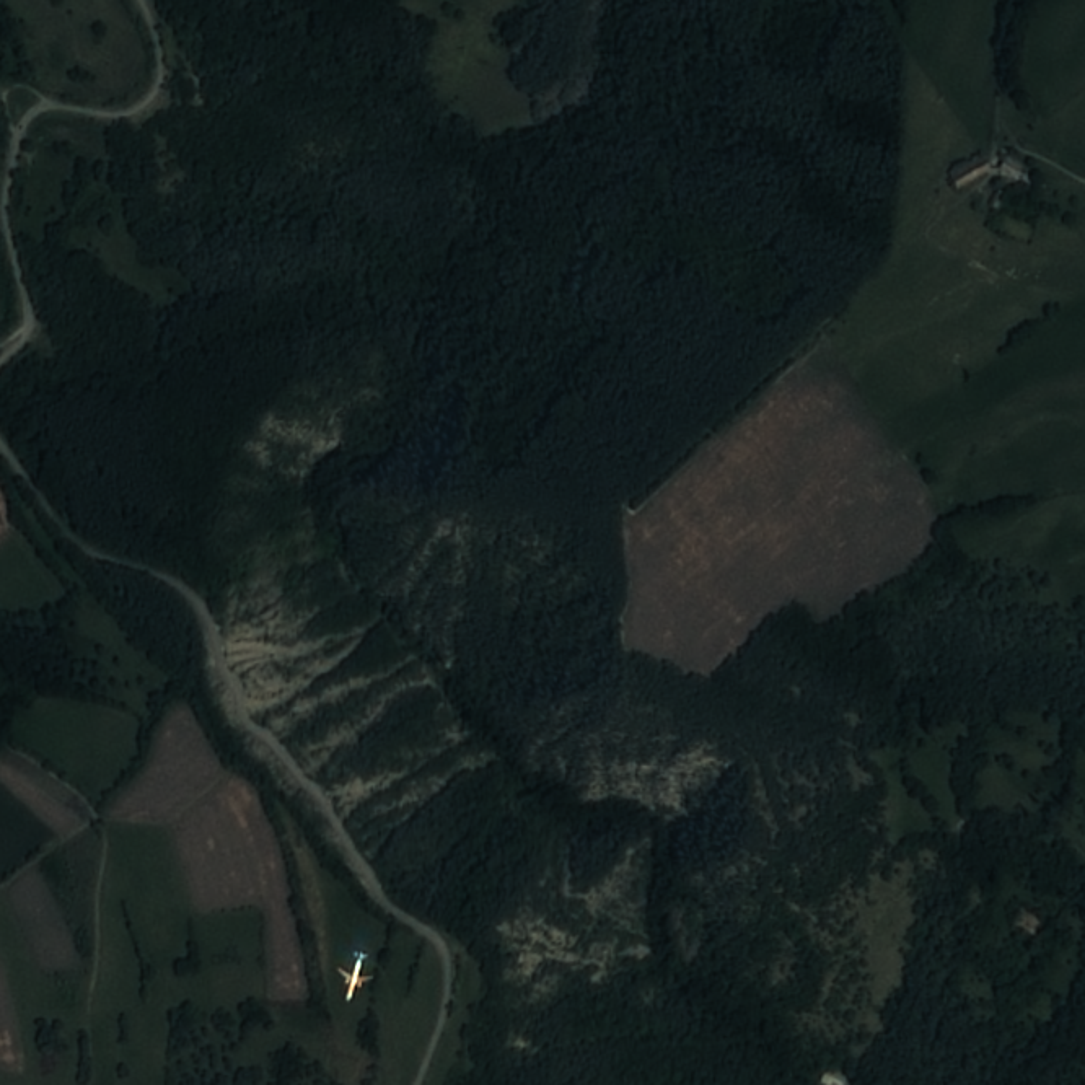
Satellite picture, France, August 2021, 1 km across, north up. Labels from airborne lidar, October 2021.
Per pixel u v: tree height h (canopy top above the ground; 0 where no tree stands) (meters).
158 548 20
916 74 0
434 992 0
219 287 17
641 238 6
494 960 14
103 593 10
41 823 0
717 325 20
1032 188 10
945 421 0
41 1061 0
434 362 10
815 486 0
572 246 9
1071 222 12
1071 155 0
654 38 22
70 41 0
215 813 0
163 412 20
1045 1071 17
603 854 12
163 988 0
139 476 26
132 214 16
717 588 0
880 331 0
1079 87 0
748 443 0
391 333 20
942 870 7
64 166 0
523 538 12
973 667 15
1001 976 10
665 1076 19
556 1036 12
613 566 13
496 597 15
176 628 15
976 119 0
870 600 17
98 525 24
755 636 13
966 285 0
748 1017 22
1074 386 0
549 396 12
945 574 12
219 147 16
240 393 19
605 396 25
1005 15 18
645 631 0
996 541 0
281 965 0
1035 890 12
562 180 26
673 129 21
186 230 21
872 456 0
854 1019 8
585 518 15
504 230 21
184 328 24
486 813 9
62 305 13
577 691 10
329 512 10
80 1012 0
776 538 0
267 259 18
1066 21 0
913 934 10
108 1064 0
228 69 8
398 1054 0
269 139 13
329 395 6
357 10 22
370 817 6
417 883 9
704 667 0
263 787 8
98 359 15
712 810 10
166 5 13
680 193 26
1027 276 0
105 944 0
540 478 16
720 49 22
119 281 12
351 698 7
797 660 12
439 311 29
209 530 6
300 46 22
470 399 22
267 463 11
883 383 0
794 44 9
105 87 0
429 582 8
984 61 0
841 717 11
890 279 0
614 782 5
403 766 7
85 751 0
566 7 17
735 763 8
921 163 0
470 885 15
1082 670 13
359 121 8
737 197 31
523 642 16
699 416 20
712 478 0
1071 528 0
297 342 19
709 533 0
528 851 14
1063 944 8
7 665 19
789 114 30
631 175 18
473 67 0
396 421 22
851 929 9
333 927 0
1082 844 0
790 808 9
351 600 7
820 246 29
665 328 28
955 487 0
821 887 6
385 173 18
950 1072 9
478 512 10
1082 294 0
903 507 0
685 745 7
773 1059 19
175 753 0
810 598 0
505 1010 9
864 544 0
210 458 16
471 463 17
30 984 0
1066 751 14
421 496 8
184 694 7
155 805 0
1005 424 0
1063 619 7
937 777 0
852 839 11
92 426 25
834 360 0
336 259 14
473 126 9
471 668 13
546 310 6
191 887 0
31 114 0
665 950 26
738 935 9
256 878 0
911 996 15
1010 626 11
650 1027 13
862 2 23
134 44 0
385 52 23
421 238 20
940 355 0
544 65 12
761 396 10
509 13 8
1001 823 19
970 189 0
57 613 13
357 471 14
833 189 23
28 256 13
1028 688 14
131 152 10
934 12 0
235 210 15
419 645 7
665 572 0
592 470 20
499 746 13
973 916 9
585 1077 11
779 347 15
